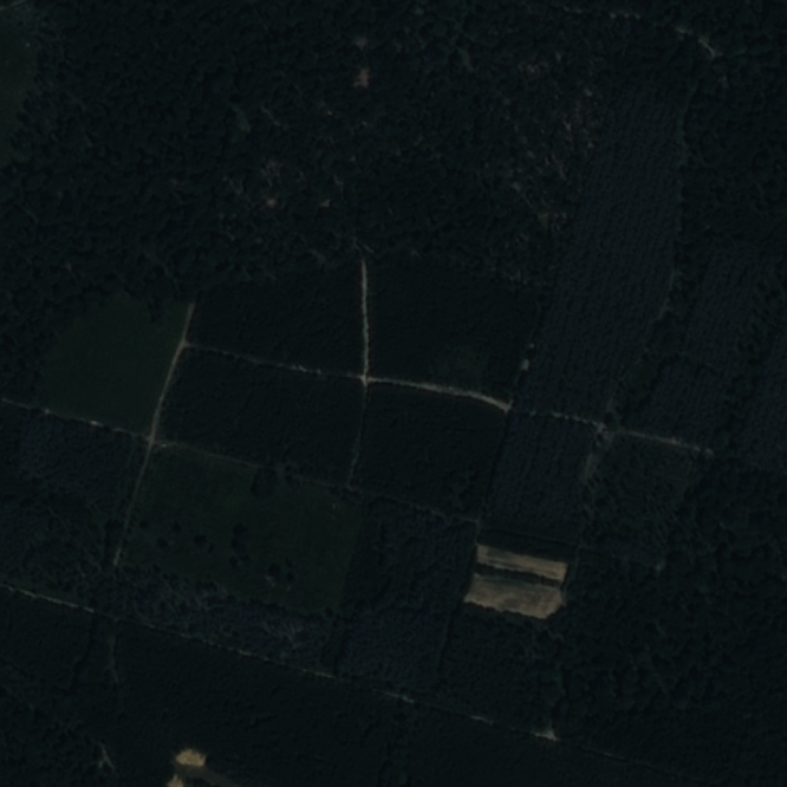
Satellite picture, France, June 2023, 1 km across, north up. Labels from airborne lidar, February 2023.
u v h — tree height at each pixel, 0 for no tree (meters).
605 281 15
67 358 0
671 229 13
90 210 25
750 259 15
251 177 25
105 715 19
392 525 16
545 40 18
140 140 25
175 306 0
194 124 27
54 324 22
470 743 9
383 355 11
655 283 16
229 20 23
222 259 25
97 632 19
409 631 20
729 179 19
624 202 16
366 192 22
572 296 17
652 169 16
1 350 24
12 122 0
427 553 20
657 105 14
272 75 26
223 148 23
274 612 17
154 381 0
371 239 22
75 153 26
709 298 17
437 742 9
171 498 0
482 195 24
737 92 22
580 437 15
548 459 15
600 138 15
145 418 0
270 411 8
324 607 0
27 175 27
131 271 26
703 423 18
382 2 24
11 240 23
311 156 21
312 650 16
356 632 16
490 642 20
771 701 21
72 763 17
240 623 15
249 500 0
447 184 26
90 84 27
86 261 24
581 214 14
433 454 7
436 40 24
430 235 22
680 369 16
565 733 6
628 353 14
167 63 23
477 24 27
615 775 8
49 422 15
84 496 16
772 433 18
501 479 15
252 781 12
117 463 15
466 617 16
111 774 16
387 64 21
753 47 21
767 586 28
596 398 13
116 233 23
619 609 20
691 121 16
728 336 15
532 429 15
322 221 21
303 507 0
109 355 0
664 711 19
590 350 13
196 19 24
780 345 18
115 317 0
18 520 17
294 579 13
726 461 20
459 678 13
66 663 9
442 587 16
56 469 15
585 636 21
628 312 17
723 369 15
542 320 15
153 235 22
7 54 0
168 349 0
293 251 16
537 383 11
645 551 18
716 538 24
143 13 22
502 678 11
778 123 21
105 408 0
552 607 0
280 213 24
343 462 7
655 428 18
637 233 16
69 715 17
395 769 16
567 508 15
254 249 22
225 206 23
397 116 22
